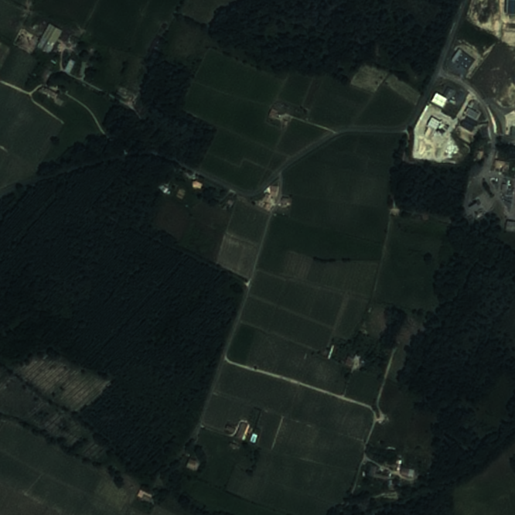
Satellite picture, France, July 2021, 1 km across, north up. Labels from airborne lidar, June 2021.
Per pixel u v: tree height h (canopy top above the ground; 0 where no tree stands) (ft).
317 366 0
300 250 0
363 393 0
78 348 22
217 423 0
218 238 0
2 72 0
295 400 0
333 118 0
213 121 0
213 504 0
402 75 28
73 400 0
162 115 93
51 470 0
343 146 0
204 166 0
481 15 0
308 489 0
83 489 0
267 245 0
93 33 0
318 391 0
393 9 18
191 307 25
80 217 28
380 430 0
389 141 0
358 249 0
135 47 0
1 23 0
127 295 30
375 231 0
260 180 0
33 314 55
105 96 43
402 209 40
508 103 0
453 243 71
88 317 29
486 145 0
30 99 0
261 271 0
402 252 0
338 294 0
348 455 0
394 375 0
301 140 0
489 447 82
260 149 0
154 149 52
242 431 0
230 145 0
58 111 0
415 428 0
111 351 34
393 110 0
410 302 0
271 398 0
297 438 0
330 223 0
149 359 32
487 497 0
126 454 33
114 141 55
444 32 50
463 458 74
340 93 0
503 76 0
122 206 60
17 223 41
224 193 26
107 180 32
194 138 32
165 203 0
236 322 0
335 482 0
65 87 36
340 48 57
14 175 0
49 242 46
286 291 0
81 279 30
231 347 0
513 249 74
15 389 0
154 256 34
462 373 65
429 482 34
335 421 0
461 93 0
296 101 0
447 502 68
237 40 70
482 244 70
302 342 0
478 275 69
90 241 45
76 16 0
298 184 0
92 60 38
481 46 0
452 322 57
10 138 0
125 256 32
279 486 0
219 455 0
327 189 0
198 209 0
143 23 0
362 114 0
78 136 0
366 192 0
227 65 0
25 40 0
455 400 73
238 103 0
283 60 47
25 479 0
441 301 54
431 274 0
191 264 40
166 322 34
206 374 25
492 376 61
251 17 76
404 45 34
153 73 87
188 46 0
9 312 42
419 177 76
